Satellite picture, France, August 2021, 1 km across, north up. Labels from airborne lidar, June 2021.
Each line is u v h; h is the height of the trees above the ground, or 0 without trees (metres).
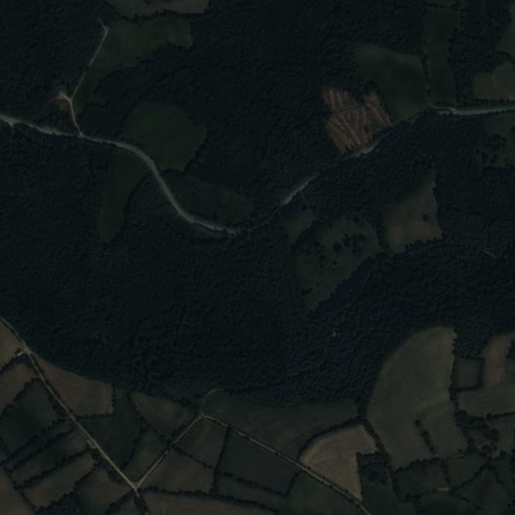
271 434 0
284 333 21
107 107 12
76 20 21
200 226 10
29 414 0
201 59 22
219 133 23
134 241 23
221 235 10
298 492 0
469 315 10
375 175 22
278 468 0
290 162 13
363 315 16
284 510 0
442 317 10
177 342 21
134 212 20
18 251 23
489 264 14
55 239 19
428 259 15
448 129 19
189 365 17
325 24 25
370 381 13
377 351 12
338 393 16
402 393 0
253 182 21
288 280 20
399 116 0
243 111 24
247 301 22
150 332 22
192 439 0
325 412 0
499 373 0
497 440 10
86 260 23
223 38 22
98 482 0
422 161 9
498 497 0
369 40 18
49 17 23
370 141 17
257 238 20
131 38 0
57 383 0
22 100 13
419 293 11
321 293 0
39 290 21
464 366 0
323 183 19
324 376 13
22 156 24
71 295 20
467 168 14
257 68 21
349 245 14
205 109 17
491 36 21
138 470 0
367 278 21
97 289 21
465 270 11
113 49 0
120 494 0
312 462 0
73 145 17
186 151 0
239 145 26
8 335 0
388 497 0
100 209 14
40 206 21
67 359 15
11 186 23
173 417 0
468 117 6
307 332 18
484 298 6
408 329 13
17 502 0
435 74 0
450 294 11
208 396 0
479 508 8
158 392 13
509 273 14
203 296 18
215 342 19
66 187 20
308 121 13
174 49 13
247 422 0
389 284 22
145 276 22
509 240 23
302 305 15
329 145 23
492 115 11
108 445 0
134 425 0
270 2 18
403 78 0
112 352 23
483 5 17
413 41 19
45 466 0
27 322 20
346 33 18
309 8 28
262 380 16
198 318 19
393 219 0
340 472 0
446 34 0
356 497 0
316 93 22
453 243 11
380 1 24
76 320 16
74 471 0
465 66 12
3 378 0
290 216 17
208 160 21
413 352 0
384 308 16
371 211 21
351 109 24
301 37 25
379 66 0
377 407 0
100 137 10
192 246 22
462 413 13
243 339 19
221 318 22
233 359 22
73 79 11
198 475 0
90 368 13
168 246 23
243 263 19
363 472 10
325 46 28
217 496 10
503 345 0
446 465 9
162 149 0
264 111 25
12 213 24
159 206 19
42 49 20
